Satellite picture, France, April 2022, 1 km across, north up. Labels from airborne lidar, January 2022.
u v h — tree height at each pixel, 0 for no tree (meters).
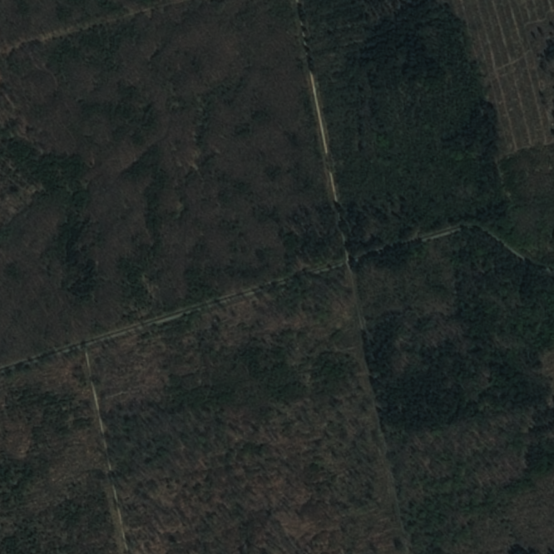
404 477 28
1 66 22
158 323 0
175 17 14
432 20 7
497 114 25
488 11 0
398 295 8
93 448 29
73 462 28
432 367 23
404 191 9
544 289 23
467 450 30
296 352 26
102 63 8
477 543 8
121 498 0
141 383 0
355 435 29
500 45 0
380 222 26
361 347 0
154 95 11
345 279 17
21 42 15
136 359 0
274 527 31
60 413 7
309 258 30
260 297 23
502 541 7
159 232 12
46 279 18
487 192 19
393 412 25
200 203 11
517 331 22
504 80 0
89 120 12
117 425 29
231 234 13
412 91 8
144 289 13
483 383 20
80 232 9
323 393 9
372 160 13
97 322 14
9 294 13
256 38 13
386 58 22
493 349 18
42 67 24
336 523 25
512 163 7
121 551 0
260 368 16
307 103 13
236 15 12
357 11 9
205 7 12
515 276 22
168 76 12
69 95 9
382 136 14
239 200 15
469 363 19
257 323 0
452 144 24
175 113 11
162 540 27
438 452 27
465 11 0
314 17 7
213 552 22
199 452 30
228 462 13
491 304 15
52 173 9
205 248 12
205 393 7
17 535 9
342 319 0
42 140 14
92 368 0
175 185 11
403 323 21
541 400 18
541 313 20
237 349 7
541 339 20
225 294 14
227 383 8
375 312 10
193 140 9
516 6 0
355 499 31
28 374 26
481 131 17
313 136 11
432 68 23
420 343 24
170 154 11
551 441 21
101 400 0
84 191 8
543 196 17
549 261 7
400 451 20
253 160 14
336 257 24
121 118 11
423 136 9
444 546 24
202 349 12
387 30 24
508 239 20
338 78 9
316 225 31
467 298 24
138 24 15
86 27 12
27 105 16
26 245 17
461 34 13
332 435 29
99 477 8
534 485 14
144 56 15
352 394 29
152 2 9
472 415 9
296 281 23
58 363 29
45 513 6
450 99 9
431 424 24
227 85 10
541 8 0
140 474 29
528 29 0
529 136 0
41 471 8
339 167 8
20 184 8
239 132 11
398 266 21
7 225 16
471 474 26
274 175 13
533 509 8
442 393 26
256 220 13
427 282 7
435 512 24
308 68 0
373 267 21
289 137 13
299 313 28
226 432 30
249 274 12
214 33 16
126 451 33
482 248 19
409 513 25
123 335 0
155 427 30
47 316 15
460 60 7
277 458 28
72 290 7
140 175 14
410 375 23
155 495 25
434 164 17
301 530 0
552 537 8
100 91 11
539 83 0
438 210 20
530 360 26
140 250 12
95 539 7
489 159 20
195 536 6
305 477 7
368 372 0
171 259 11
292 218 13
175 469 28
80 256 10
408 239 25
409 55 17
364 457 30
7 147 22
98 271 7
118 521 0
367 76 13
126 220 13
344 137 7
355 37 11
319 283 25
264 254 16
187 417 30
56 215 13
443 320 18
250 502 25
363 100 10
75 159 11
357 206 8
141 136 11
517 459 26
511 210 15
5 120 12
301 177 13
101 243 17
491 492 22
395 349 27
